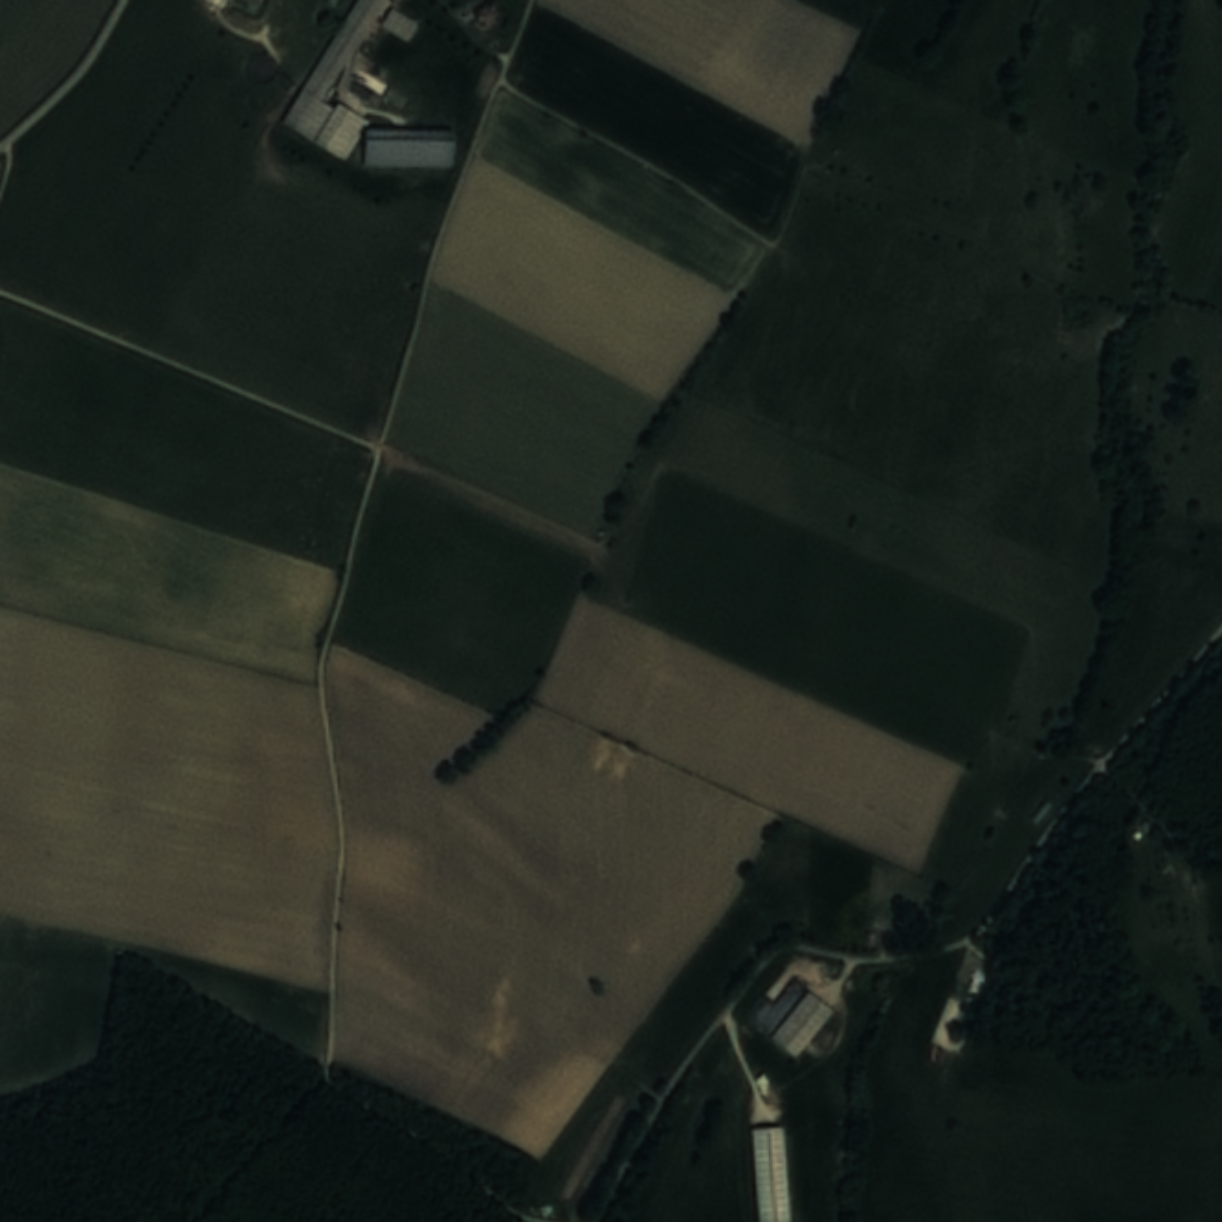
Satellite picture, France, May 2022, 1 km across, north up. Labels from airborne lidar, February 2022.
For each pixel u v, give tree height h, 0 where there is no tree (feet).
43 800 0
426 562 0
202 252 0
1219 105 0
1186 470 0
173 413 0
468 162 0
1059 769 0
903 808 0
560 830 0
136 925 0
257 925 0
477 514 0
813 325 0
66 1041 0
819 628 0
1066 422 0
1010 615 0
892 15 0
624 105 0
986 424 0
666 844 0
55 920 0
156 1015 46
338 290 0
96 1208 59
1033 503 0
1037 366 0
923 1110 0
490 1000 0
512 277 0
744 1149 0
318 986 0
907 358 0
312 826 0
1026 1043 39
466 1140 45
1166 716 22
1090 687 46
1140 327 36
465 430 0
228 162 0
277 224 0
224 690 0
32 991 0
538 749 0
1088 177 20
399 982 0
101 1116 45
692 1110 0
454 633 0
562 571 0
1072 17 0
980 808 0
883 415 0
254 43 0
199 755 0
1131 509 40
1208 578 0
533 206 0
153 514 0
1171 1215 0
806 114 0
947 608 0
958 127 0
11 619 0
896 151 0
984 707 0
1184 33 26
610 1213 19
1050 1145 0
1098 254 0
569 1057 0
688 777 0
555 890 0
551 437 0
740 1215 0
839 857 0
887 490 0
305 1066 49
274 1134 46
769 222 0
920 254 0
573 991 0
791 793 0
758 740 0
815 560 0
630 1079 0
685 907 0
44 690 0
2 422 0
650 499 0
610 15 0
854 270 0
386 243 0
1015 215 0
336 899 0
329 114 0
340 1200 60
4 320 0
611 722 0
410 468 0
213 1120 58
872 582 0
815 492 0
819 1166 0
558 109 0
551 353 0
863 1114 26
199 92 0
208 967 0
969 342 0
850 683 0
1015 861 0
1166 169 33
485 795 0
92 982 0
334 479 0
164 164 0
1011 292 0
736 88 0
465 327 0
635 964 0
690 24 0
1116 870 78
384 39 0
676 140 0
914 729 0
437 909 0
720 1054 0
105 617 0
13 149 0
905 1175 0
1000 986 61
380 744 0
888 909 0
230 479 0
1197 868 68
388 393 0
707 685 0
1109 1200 0
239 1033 52
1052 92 0
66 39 0
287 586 0
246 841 0
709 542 0
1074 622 0
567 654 0
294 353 0
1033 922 79
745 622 0
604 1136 0
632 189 0
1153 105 44
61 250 0
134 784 0
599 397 0
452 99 0
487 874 0
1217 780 72
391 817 0
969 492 0
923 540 0
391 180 0
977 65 0
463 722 0
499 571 0
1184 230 0
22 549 0
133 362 0
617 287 0
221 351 0
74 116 0
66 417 0
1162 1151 0
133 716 0
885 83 0
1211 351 0
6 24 0
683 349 0
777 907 0
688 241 0
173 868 0
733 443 0
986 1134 0
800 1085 0
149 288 0
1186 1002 0
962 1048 0
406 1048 0
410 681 0
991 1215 0
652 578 0
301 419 0
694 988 0
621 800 0
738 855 0
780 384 0
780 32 0
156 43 0
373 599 0
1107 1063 58
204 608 0
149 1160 55
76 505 0
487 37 0
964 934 0
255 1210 58
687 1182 0
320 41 0
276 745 0
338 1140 57
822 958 0
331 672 0
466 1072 0
